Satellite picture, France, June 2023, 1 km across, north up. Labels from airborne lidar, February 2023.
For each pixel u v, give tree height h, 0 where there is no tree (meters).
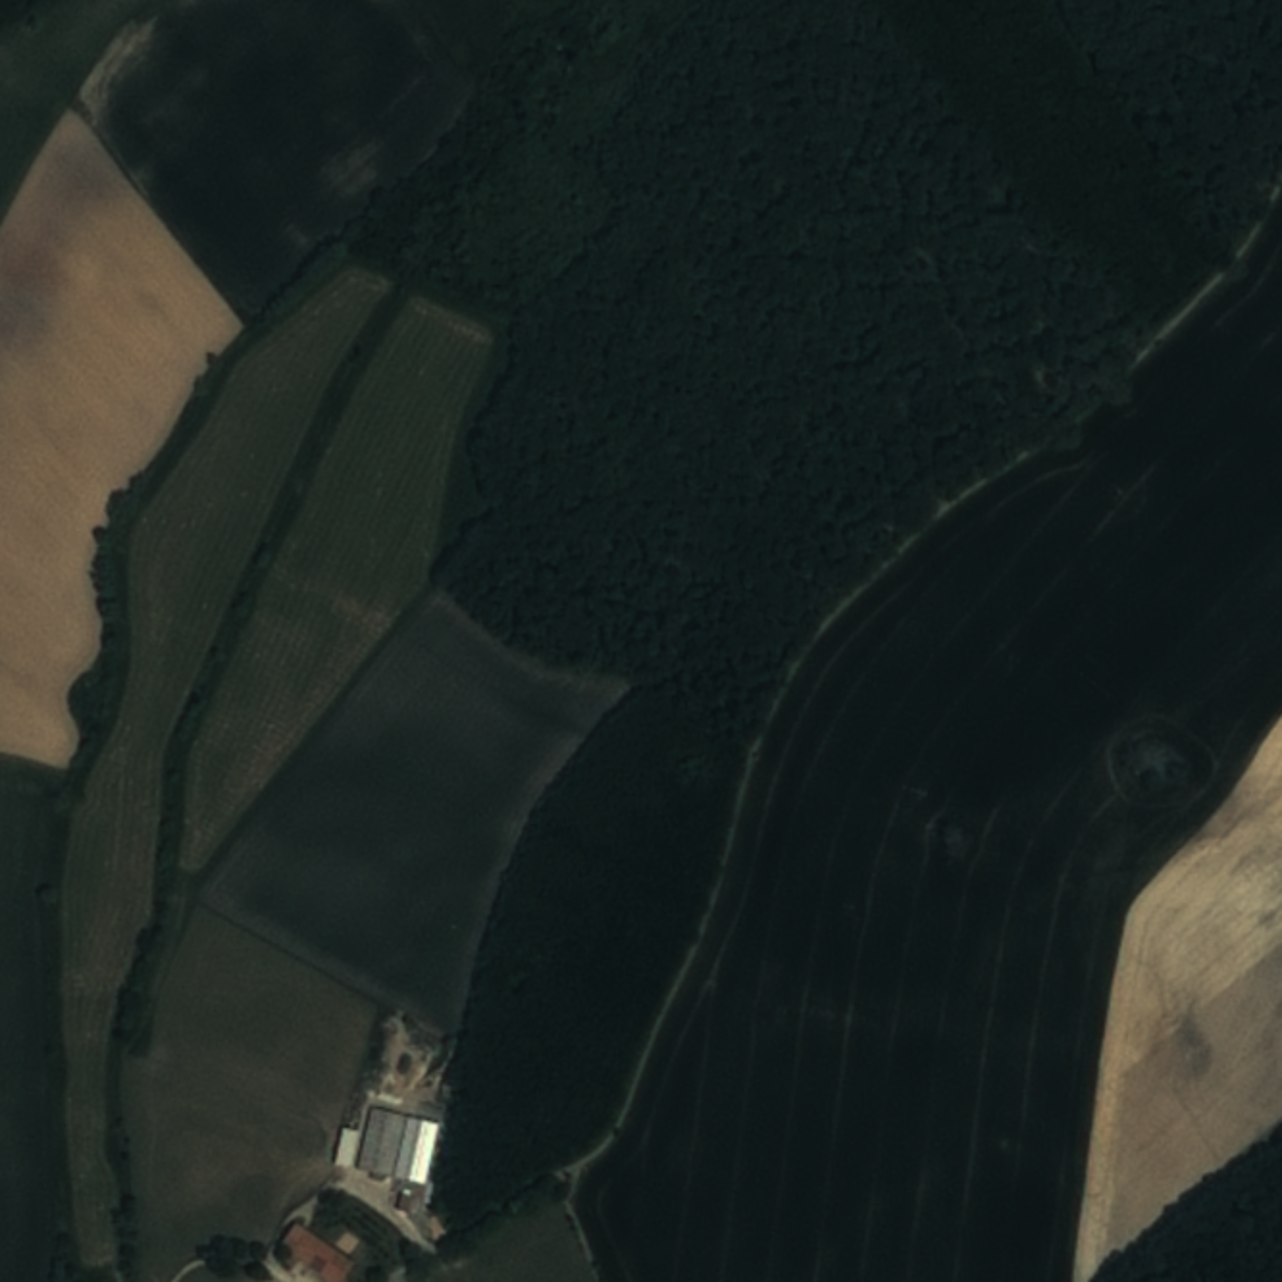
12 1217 0
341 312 0
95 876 0
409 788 0
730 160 21
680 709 22
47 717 0
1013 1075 0
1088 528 0
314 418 0
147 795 0
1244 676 0
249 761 0
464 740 0
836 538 26
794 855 0
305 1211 0
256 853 0
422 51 0
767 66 24
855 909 0
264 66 0
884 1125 0
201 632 0
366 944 0
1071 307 25
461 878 0
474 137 6
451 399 0
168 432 0
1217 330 0
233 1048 0
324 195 0
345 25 0
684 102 22
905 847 0
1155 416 0
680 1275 0
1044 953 0
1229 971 0
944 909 0
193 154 0
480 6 0
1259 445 0
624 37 6
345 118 0
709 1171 0
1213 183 22
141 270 0
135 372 0
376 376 0
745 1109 0
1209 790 0
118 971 0
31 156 0
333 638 0
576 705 0
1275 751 0
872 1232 0
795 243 20
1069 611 0
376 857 0
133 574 0
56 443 0
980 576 0
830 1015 0
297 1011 0
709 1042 0
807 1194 0
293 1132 0
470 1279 0
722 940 0
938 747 0
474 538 21
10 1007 0
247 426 0
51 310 0
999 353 19
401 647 0
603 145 11
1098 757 0
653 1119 0
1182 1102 0
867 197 27
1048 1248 0
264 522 0
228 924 0
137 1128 0
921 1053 0
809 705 0
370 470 0
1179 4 27
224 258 0
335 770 0
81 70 0
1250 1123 0
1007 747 0
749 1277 0
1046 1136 0
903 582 0
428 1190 0
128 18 0
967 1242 0
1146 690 0
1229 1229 29
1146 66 26
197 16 0
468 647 0
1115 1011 0
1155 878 0
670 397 24
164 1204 0
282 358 0
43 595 0
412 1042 0
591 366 20
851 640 0
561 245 7
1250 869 0
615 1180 0
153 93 0
